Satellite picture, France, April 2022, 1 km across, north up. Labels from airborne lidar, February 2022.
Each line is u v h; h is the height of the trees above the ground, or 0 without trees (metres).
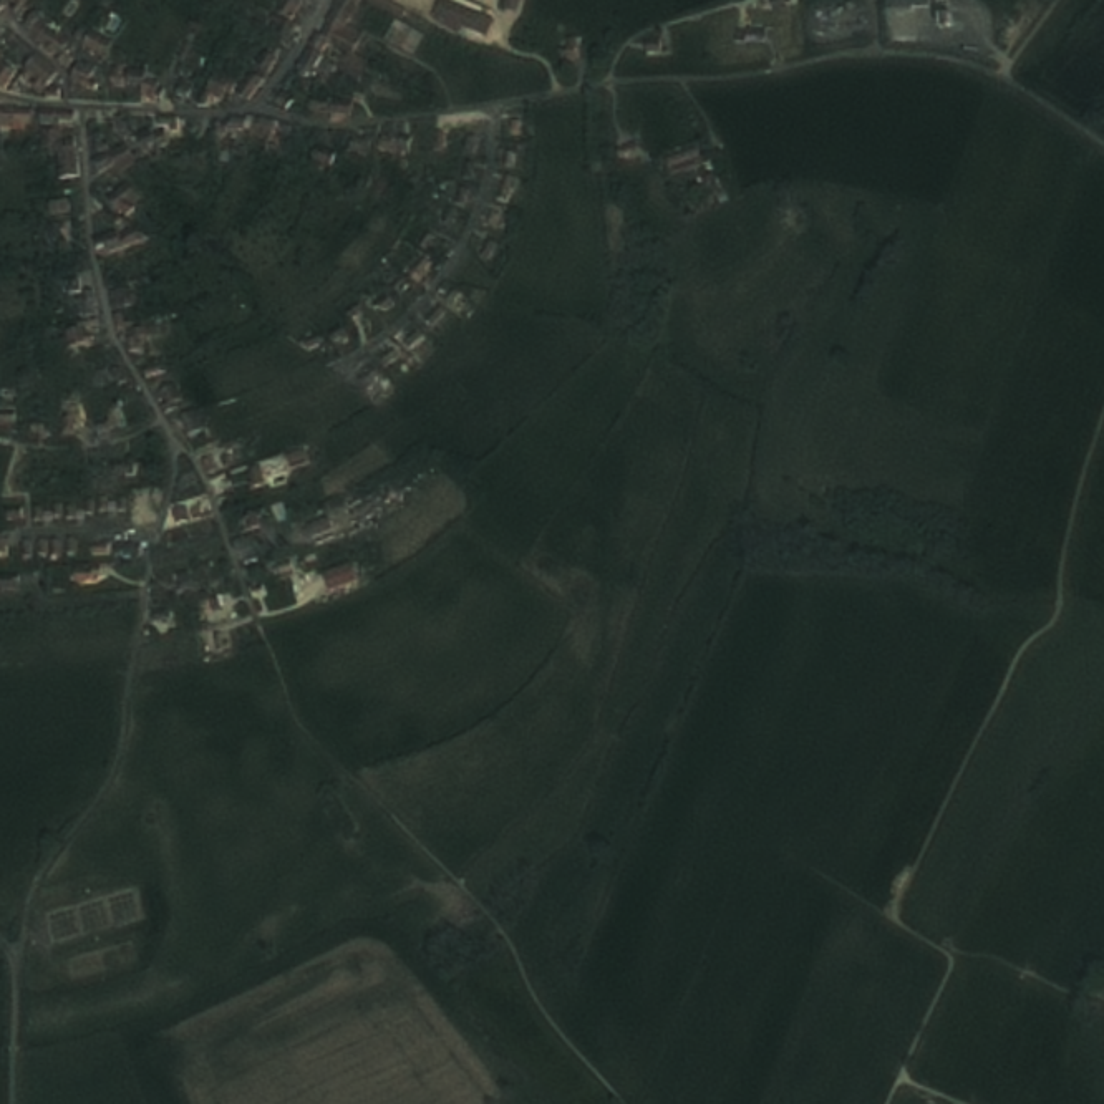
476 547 0
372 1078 0
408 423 0
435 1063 0
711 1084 0
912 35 0
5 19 0
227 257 8
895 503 5
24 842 0
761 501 0
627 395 0
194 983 0
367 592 0
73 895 0
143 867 0
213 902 0
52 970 0
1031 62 0
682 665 0
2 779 0
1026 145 0
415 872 0
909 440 0
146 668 0
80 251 10
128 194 0
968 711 0
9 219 9
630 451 0
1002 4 0
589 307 0
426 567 0
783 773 0
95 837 0
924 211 0
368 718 0
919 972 0
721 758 0
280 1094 0
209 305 8
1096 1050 0
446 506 0
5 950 0
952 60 0
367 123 0
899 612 0
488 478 0
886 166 0
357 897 0
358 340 7
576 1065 0
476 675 0
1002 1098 0
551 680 0
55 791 0
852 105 0
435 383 0
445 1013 0
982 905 0
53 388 0
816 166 0
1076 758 0
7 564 0
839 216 0
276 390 0
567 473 0
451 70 0
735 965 0
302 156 12
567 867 0
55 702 0
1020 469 0
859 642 0
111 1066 0
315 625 0
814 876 0
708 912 0
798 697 0
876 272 12
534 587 0
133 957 0
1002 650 0
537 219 0
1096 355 0
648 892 0
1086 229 0
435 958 16
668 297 16
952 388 0
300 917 0
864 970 0
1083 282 0
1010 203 0
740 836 0
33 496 0
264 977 0
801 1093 0
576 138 0
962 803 0
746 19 0
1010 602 0
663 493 0
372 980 0
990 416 0
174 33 0
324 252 0
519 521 0
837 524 0
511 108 0
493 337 0
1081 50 0
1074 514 0
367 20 0
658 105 0
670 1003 0
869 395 0
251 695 0
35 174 0
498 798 0
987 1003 0
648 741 0
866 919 0
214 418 0
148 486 13
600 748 0
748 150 0
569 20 0
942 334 0
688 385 0
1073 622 0
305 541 0
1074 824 0
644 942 0
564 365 0
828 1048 0
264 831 0
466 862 0
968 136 0
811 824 0
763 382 0
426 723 0
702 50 0
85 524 0
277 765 0
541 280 0
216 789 0
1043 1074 0
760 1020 0
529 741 0
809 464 0
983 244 0
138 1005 0
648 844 0
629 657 0
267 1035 0
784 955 0
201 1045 0
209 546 11
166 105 0
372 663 0
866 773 0
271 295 0
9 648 0
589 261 0
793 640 0
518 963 0
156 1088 0
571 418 0
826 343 0
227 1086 0
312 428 0
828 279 0
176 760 0
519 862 0
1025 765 0
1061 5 0
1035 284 0
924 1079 0
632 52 0
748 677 0
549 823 0
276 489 0
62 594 0
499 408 0
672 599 0
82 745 0
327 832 0
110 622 0
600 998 0
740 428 0
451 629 0
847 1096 0
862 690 0
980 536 0
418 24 10
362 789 0
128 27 0
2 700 0
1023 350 0
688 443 0
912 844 0
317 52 0
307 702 0
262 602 0
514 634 0
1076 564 0
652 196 0
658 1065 0
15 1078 0
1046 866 0
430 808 0
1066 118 0
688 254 0
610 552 0
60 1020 0
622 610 0
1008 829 0
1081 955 0
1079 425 0
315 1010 0
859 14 0
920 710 0
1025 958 0
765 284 0
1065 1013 0
